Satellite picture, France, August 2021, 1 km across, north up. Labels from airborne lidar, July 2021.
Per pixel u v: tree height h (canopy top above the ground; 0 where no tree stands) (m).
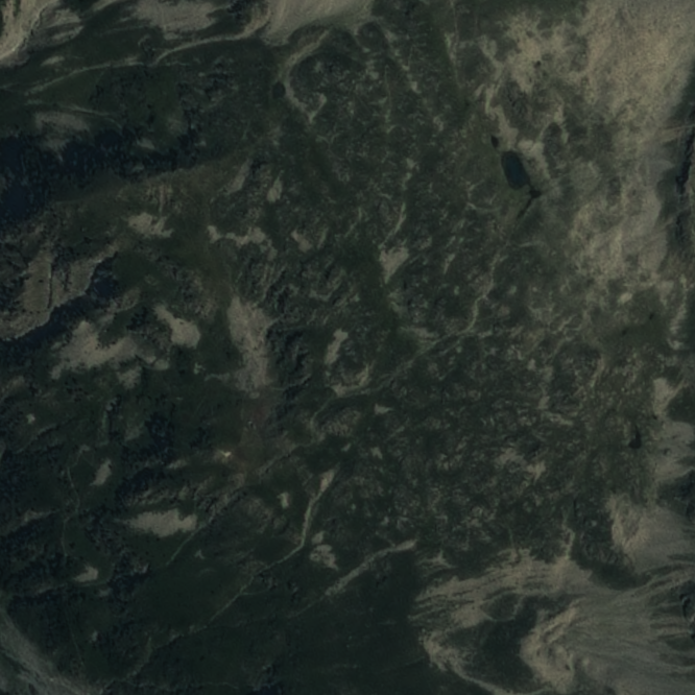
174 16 0
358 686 0
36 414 0
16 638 0
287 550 0
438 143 0
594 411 0
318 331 0
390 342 0
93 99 0
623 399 0
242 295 0
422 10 0
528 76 0
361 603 0
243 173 0
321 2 0
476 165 0
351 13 0
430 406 0
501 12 0
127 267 0
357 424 0
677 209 0
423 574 0
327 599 0
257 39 0
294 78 0
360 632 0
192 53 0
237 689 0
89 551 0
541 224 0
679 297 0
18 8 0
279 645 0
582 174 0
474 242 0
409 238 0
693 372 0
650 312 0
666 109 0
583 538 0
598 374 0
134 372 0
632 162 0
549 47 0
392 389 0
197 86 0
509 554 0
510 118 0
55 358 0
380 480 0
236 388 0
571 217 0
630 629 0
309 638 0
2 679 0
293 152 0
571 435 0
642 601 0
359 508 0
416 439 0
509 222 0
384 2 0
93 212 0
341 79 0
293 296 0
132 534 0
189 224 0
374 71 0
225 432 0
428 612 0
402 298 0
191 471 0
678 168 0
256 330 0
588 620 0
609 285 0
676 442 0
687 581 0
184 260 0
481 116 0
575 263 0
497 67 0
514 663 0
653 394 0
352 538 0
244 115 0
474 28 0
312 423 0
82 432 0
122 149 8
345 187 0
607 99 0
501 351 0
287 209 0
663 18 0
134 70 0
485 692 0
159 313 0
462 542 0
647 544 0
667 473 0
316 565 0
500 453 0
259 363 0
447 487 0
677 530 0
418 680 0
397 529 0
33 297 0
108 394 0
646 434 0
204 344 0
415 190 0
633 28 0
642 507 0
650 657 0
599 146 0
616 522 0
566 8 0
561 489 0
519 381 0
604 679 0
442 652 0
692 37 0
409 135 0
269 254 0
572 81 0
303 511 0
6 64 0
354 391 0
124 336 0
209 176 0
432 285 0
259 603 0
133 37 0
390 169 0
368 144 0
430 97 0
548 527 0
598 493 0
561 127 0
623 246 0
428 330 0
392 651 0
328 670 0
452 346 0
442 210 0
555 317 0
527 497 0
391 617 0
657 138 0
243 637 0
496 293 0
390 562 0
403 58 0
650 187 0
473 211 0
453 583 0
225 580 0
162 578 0
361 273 0
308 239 0
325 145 0
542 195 0
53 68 0
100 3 0
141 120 0
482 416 0
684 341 0
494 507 0
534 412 0
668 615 0
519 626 0
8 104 0
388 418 0
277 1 0
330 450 0
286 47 0
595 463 0
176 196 0
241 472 0
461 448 0
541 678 0
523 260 0
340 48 0
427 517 0
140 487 13
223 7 0
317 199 0
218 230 0
